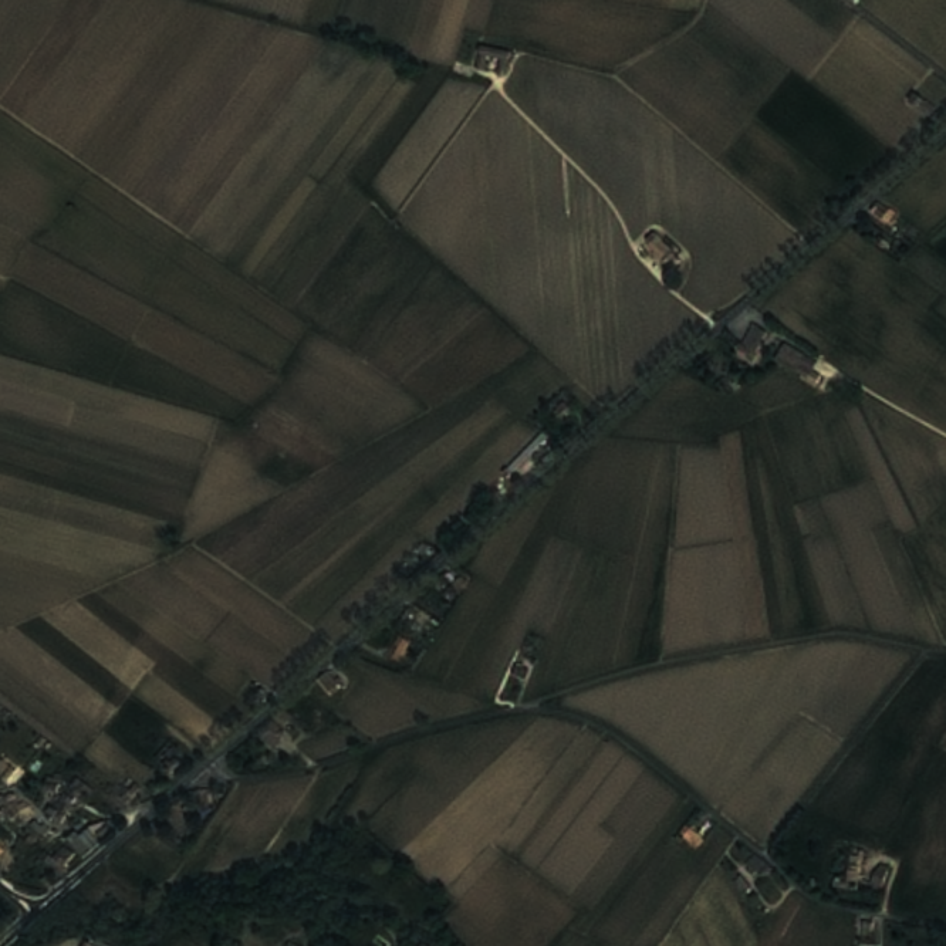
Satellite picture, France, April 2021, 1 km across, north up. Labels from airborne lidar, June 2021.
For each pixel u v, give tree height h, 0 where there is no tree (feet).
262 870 64
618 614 0
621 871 0
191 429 0
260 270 0
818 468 0
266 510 0
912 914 0
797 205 0
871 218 35
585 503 0
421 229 0
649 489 0
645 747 0
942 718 0
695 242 0
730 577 0
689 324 0
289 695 76
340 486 0
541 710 0
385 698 0
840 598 0
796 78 0
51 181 0
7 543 0
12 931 93
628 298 0
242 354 0
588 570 0
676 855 0
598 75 0
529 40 0
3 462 0
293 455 0
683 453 0
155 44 0
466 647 0
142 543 0
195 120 0
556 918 0
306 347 0
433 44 0
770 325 37
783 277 64
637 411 61
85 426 0
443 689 0
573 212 0
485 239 0
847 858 25
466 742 0
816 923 0
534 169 0
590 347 0
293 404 0
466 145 0
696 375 34
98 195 0
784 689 0
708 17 0
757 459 0
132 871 0
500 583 0
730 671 0
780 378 0
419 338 0
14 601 0
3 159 0
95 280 0
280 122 0
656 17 0
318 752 0
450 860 0
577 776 0
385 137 0
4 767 0
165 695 0
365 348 0
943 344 0
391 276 0
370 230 0
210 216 0
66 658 0
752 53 0
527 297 0
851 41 0
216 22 0
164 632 0
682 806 0
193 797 32
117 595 0
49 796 0
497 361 0
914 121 0
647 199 0
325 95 0
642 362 0
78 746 0
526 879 0
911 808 0
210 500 0
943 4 0
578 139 0
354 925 102
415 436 0
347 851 74
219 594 0
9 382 0
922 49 0
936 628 0
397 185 0
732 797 0
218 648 0
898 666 0
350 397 0
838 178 0
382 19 0
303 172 0
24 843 23
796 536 0
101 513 0
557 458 66
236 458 0
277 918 53
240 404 0
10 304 0
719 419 0
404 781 0
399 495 0
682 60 0
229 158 0
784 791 0
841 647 0
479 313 0
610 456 0
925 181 0
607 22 0
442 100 0
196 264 0
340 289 0
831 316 0
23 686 0
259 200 0
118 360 0
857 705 0
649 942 0
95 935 26
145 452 0
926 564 0
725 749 0
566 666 0
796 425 0
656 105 0
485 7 0
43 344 0
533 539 0
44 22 0
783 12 0
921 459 0
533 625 0
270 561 0
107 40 0
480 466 0
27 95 0
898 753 0
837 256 0
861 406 0
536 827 0
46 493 0
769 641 0
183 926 53
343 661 38
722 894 0
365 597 0
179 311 0
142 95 0
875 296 0
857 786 0
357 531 0
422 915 0
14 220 0
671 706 0
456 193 0
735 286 0
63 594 0
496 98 0
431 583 71
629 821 0
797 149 0
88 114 0
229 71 0
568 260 0
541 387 0
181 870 0
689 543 0
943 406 0
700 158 0
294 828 0
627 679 0
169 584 0
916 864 0
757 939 0
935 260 0
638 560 0
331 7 0
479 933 0
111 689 0
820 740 0
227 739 82
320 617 0
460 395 0
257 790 0
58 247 0
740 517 0
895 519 0
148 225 0
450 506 0
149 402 0
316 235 0
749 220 0
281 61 0
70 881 0
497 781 0
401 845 0
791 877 33
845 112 0
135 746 0
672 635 0
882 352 0
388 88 0
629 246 0
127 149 0
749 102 0
